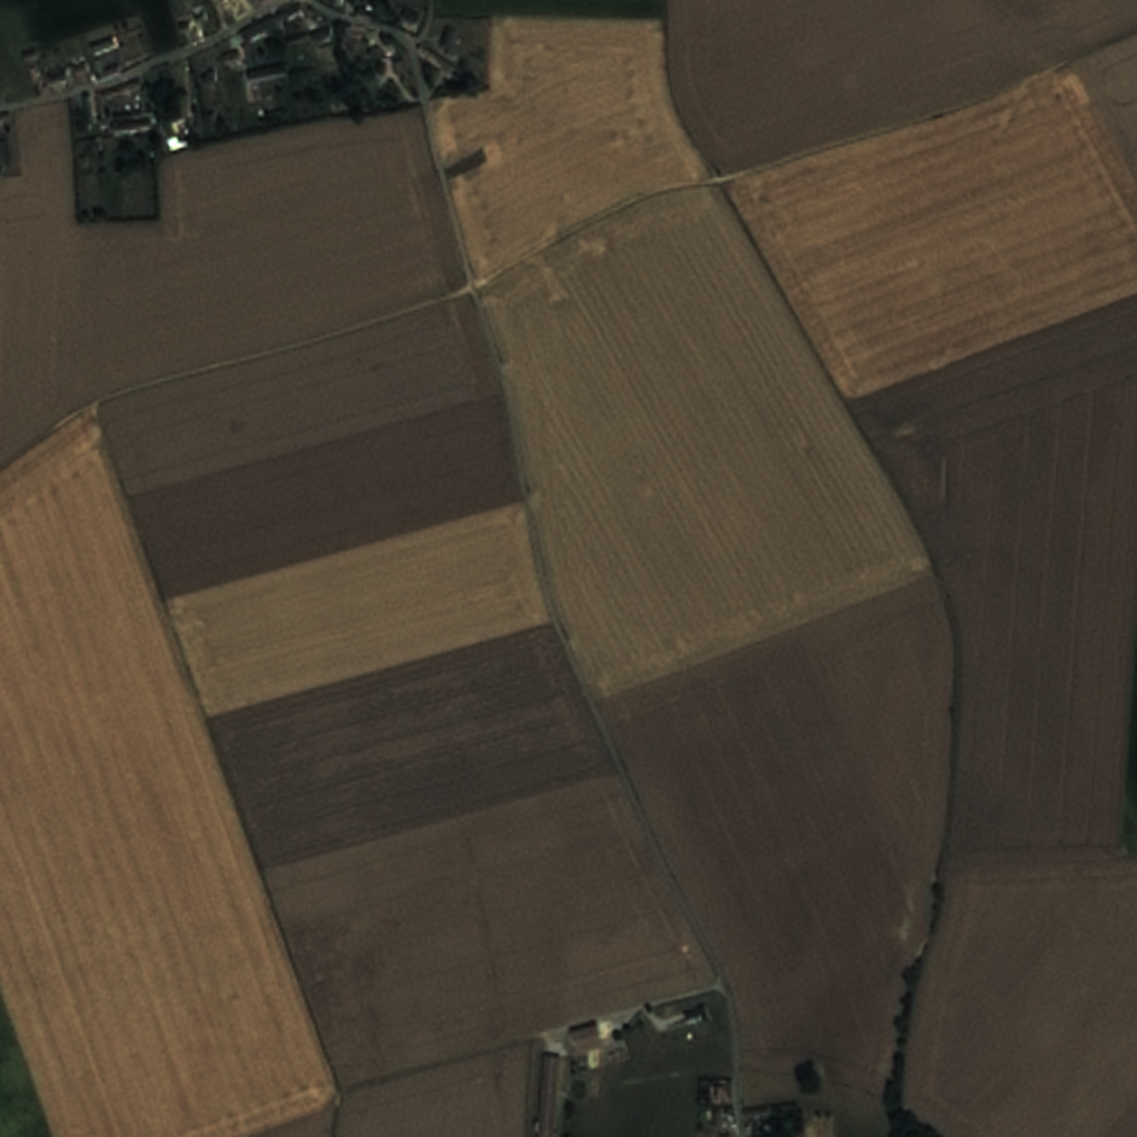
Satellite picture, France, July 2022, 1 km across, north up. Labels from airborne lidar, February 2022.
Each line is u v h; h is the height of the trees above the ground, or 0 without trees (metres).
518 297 0
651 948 0
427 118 0
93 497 0
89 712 0
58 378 0
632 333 0
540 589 0
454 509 0
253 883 0
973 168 0
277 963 0
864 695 0
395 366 0
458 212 0
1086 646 0
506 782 0
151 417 0
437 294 0
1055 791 0
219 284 0
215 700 0
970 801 0
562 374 0
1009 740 0
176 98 9
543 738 0
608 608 0
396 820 0
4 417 0
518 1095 0
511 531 0
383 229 0
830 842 0
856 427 0
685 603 0
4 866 0
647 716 0
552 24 0
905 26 0
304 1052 0
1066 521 0
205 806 0
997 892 0
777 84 0
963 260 0
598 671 0
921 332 0
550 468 0
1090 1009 0
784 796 0
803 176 0
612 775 0
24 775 0
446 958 0
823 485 0
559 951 0
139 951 0
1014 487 0
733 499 0
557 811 0
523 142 0
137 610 0
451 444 0
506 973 0
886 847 0
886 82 0
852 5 0
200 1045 0
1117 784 0
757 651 0
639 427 0
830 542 0
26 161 0
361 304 0
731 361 0
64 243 0
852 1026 0
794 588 0
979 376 0
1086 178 0
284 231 0
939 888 7
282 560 0
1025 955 0
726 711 0
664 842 0
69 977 0
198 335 0
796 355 0
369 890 0
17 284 0
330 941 0
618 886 0
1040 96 0
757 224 0
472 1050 0
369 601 0
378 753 0
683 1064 0
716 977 0
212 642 0
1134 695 0
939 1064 0
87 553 0
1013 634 0
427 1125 0
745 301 0
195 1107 0
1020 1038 0
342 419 0
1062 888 0
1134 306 0
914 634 0
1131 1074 0
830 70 0
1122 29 0
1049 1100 0
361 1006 0
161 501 0
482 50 0
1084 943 0
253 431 0
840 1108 0
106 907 0
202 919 0
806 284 0
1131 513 0
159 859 0
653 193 0
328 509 0
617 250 0
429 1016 0
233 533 0
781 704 0
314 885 0
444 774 0
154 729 0
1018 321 0
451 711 0
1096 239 0
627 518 0
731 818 0
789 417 0
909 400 0
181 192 0
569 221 0
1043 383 0
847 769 0
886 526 0
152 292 0
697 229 0
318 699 0
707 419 0
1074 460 0
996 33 0
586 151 0
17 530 0
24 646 0
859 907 0
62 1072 0
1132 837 0
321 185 0
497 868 0
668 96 0
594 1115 0
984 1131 0
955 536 0
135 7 0
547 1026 0
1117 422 0
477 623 0
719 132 0
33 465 0
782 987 0
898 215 0
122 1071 0
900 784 0
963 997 0
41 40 0
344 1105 0
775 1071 0
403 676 0
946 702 0
